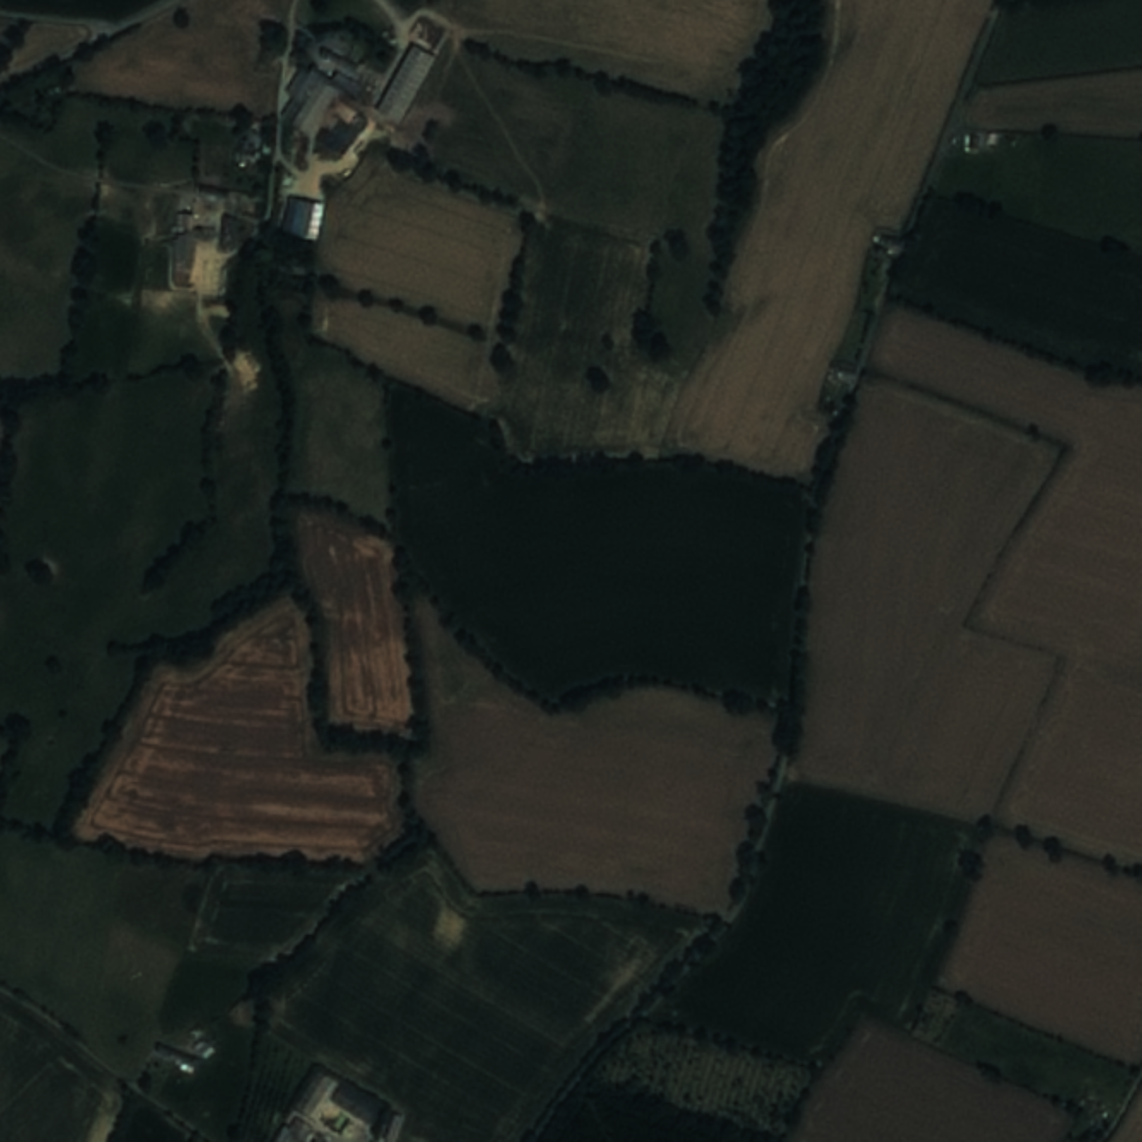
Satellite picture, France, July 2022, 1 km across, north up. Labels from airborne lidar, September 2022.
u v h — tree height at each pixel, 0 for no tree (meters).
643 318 12
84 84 0
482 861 0
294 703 0
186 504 0
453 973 0
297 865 19
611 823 0
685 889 0
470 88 0
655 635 0
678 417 0
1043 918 0
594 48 0
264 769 0
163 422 0
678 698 0
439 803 0
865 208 0
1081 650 0
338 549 0
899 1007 0
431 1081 0
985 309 0
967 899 0
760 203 0
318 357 0
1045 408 0
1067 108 0
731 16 0
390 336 0
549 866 0
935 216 0
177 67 0
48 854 0
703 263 0
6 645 0
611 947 0
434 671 0
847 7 0
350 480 0
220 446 0
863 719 0
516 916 0
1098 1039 0
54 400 13
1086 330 0
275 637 0
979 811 0
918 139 0
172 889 0
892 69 0
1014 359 0
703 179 0
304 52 11
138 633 0
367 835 0
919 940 0
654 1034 9
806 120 0
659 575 0
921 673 0
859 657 0
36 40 0
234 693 0
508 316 14
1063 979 0
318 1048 0
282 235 14
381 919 0
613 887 0
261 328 6
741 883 11
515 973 0
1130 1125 0
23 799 0
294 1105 5
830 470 11
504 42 0
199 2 0
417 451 0
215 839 0
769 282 0
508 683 10
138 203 0
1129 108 0
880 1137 0
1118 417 0
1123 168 0
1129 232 0
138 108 12
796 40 10
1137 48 0
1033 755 0
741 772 0
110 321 0
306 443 0
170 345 0
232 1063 0
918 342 0
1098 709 0
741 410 0
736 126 18
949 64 0
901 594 0
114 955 0
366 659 0
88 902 0
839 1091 0
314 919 0
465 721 0
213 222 0
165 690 0
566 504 0
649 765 0
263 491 0
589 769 0
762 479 11
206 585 0
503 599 0
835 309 0
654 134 0
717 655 0
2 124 12
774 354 0
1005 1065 0
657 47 0
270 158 6
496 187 0
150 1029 0
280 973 15
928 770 0
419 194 0
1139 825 0
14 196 0
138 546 0
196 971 0
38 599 0
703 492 0
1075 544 0
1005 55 0
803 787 0
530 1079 0
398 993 0
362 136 0
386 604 0
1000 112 0
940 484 0
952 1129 0
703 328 0
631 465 11
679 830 0
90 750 0
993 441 0
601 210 0
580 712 13
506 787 0
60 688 0
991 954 0
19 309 0
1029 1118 0
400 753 17
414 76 0
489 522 0
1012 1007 0
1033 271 0
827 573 0
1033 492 0
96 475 0
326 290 13
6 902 0
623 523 0
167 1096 0
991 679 0
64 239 0
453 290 0
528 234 10
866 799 0
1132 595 0
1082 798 0
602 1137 9
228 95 0
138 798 0
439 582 0
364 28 10
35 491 0
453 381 0
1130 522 0
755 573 0
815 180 0
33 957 0
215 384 13
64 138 0
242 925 0
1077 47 0
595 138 0
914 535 0
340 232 0
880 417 0
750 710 13
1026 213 0
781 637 0
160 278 0
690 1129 8
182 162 0
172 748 0
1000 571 0
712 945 19
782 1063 7
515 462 6
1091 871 0
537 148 0
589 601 0
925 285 0
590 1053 6
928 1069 0
